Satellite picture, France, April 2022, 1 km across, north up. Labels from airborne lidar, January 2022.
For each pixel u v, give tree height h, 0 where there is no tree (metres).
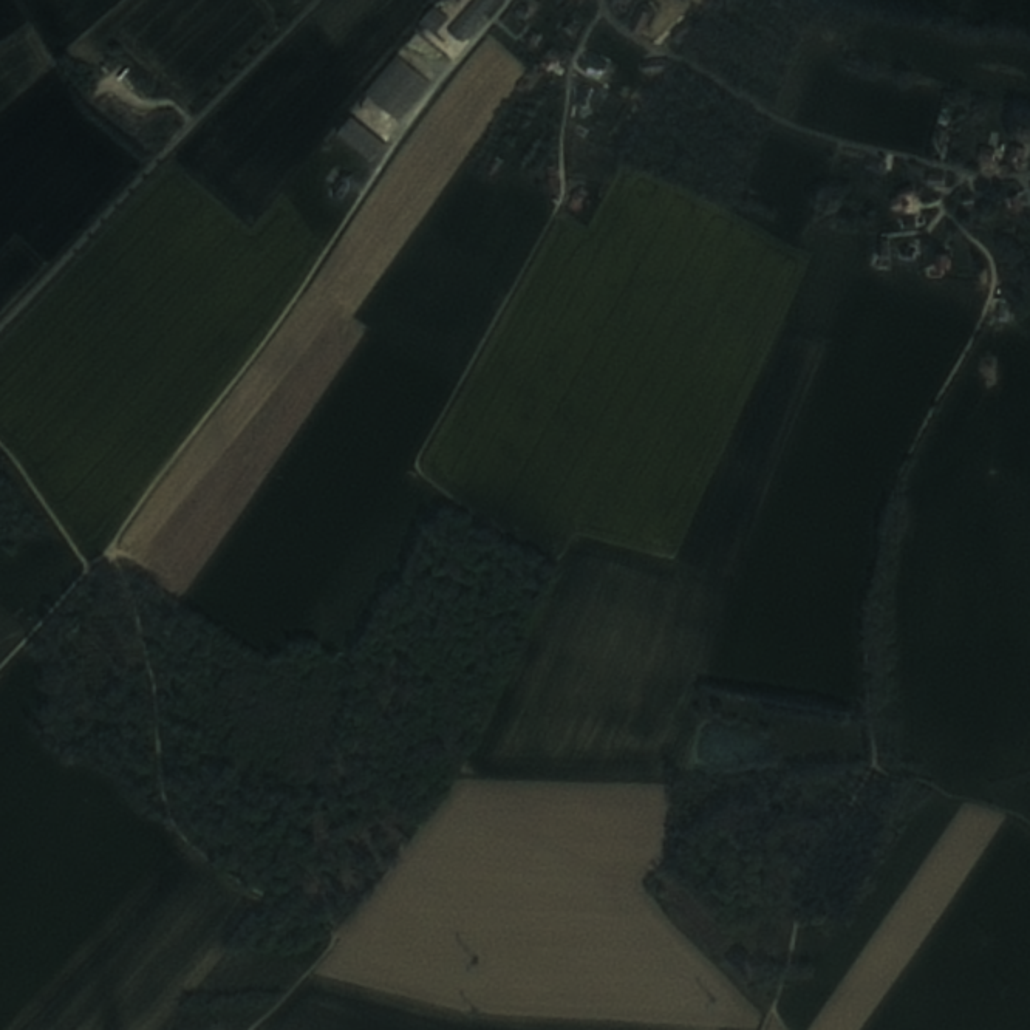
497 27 0
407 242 0
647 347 0
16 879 0
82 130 0
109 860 0
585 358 0
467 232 0
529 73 0
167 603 8
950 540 0
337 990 0
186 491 0
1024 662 0
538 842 0
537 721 0
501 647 21
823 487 0
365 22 0
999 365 0
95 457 0
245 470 0
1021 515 0
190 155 0
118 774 7
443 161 0
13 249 0
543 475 0
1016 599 0
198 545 0
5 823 0
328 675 9
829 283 0
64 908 0
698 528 0
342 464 0
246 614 0
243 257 0
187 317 0
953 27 18
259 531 0
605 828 0
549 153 6
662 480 0
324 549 0
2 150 0
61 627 21
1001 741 0
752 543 0
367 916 0
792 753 0
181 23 0
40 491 0
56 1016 0
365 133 0
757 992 7
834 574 0
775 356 0
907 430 0
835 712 13
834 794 7
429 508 0
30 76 0
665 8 0
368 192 0
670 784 11
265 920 22
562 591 0
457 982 0
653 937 0
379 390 0
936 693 0
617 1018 0
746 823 24
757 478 0
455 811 0
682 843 21
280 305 0
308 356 0
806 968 15
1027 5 0
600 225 0
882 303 0
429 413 0
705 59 17
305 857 23
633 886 0
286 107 0
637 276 0
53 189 0
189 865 0
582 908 0
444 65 0
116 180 0
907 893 0
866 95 0
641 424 0
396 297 0
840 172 0
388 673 25
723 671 0
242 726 8
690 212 0
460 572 21
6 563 0
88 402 0
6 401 0
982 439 0
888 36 0
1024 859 0
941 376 0
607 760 0
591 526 0
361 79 0
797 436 0
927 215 7
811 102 0
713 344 0
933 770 0
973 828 0
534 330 0
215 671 7
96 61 0
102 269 0
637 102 0
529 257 0
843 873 22
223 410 0
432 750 26
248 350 0
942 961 0
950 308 0
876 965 0
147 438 0
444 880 0
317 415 0
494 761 0
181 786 27
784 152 0
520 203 0
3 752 0
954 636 0
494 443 0
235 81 0
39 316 0
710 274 0
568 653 0
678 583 0
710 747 0
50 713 25
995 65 0
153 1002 0
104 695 10
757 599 0
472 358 0
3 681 0
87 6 0
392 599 22
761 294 0
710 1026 0
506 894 0
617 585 0
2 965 0
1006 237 14
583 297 0
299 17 0
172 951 0
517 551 20
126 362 0
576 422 0
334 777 23
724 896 24
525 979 0
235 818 25
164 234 0
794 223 0
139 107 0
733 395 0
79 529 0
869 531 0
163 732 18
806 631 0
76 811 0
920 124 0
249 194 0
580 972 0
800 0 21
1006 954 0
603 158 0
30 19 0
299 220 0
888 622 17
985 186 16
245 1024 0
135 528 0
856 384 0
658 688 0
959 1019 0
